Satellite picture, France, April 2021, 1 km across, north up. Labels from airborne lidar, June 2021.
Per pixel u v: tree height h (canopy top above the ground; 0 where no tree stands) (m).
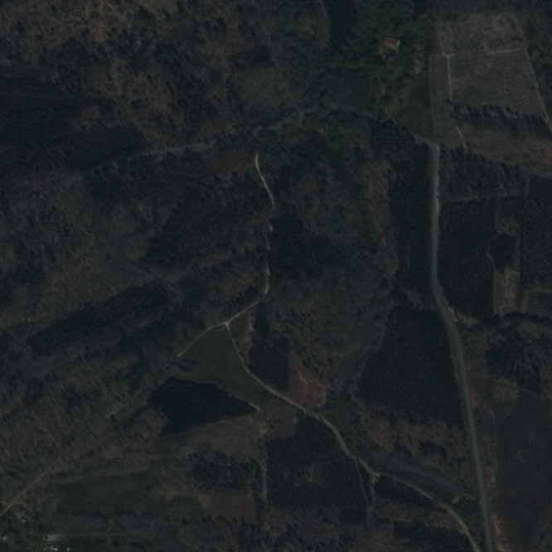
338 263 14
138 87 10
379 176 16
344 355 13
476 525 10
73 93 16
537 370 13
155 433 10
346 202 20
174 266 15
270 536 15
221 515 0
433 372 10
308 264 16
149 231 11
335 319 14
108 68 23
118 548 11
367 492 11
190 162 8
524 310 0
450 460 11
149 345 17
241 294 7
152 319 17
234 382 0
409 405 10
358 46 23
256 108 12
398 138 27
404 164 10
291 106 15
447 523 0
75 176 11
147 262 9
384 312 6
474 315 8
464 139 0
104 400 11
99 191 16
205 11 12
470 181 23
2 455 12
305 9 19
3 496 15
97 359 15
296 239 12
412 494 10
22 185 6
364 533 6
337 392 14
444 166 15
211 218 12
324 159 8
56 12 15
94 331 8
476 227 7
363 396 10
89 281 9
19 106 8
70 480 17
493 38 0
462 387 0
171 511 0
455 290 7
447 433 0
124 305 7
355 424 15
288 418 0
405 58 26
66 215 12
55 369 8
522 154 0
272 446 11
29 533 13
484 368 10
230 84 9
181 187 21
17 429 17
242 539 16
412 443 15
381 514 8
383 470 10
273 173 9
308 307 14
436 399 9
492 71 0
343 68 10
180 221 16
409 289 9
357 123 21
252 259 22
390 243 15
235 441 0
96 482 0
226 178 14
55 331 8
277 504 9
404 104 12
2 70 7
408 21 14
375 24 22
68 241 16
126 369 14
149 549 12
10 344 12
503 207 7
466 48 0
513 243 16
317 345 12
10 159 7
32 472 15
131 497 0
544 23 16
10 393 11
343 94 24
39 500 9
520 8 21
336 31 10
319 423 9
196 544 15
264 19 20
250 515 0
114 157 13
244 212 8
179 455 0
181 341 12
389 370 9
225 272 13
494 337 11
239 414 10
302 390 0
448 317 0
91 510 0
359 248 12
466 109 0
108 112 16
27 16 13
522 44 23
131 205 15
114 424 13
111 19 8
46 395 7
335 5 9
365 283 22
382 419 11
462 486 14
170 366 13
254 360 16
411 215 16
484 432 12
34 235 9
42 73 7
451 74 0
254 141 23
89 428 16
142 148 10
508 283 0
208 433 0
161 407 9
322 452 10
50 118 17
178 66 19
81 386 8
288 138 14
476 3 14
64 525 15
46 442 9
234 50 11
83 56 21
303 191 13
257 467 14
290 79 18
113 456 0
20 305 12
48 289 15
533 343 6
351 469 10
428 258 15
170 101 5
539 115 0
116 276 9
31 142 13
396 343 9
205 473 18
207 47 17
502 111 0
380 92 20
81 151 12
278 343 16
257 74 15
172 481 16
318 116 13
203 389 10
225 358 0
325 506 10
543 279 17
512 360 13
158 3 0
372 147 19
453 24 15
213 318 13
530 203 13
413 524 7
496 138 0
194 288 27
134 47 17
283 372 18
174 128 16
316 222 9
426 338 10
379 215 19
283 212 20
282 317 9
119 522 11
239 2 14
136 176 9
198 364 7
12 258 10
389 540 7
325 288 11
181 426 9
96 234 19
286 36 20
